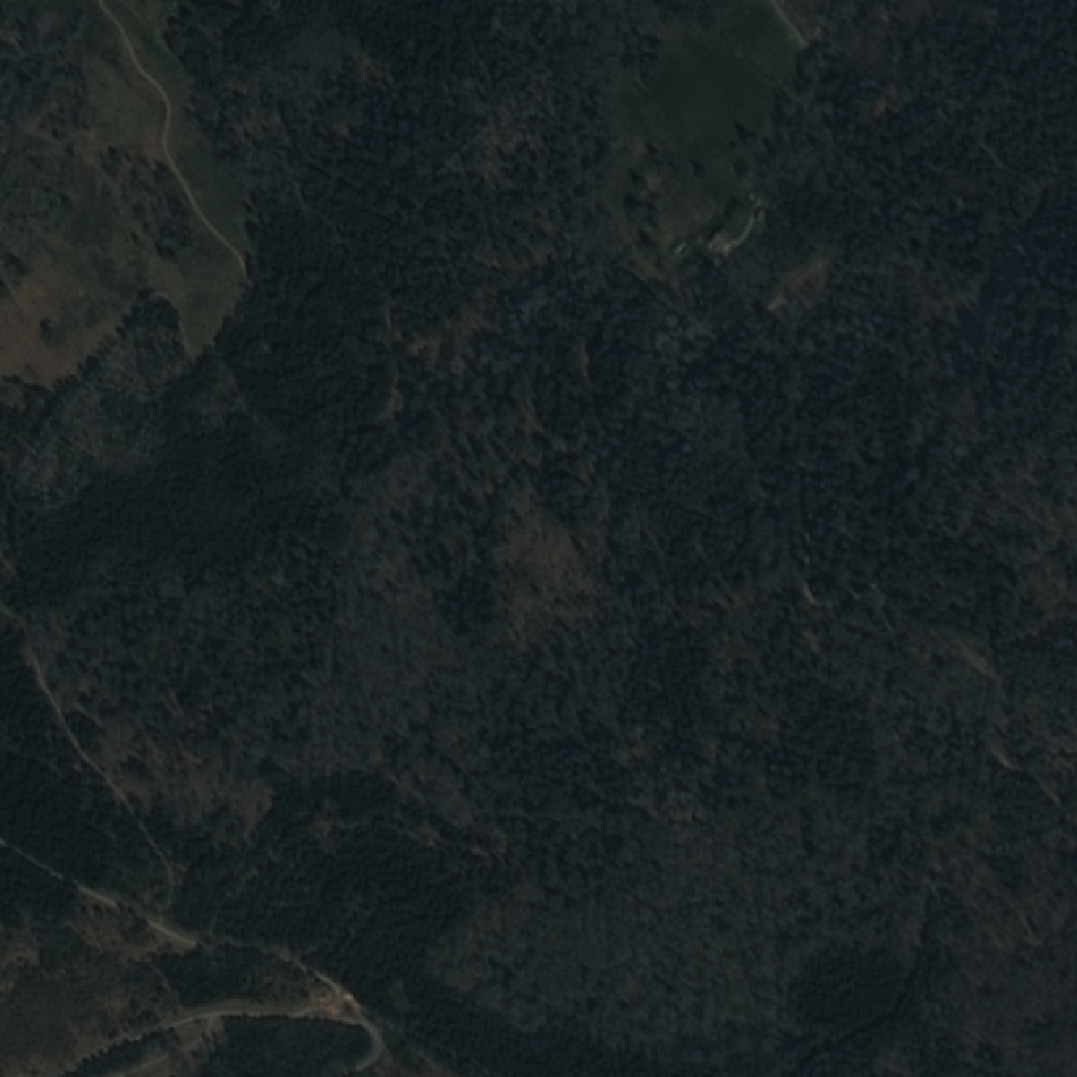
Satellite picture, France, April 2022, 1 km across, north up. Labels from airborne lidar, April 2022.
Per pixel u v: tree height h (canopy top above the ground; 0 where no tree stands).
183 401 20
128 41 0
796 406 28
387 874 14
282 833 10
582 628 11
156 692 16
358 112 30
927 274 12
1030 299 7
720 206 0
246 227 0
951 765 9
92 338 0
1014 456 22
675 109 0
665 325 17
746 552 18
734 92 0
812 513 31
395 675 24
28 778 12
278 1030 13
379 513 27
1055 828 22
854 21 24
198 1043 0
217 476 14
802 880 21
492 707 23
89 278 0
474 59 16
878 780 33
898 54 11
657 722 29
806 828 6
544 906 19
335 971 8
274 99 26
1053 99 20
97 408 28
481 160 31
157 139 0
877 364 22
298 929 10
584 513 24
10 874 14
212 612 20
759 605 9
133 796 7
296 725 24
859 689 19
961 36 12
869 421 28
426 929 16
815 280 0
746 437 28
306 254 17
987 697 25
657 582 7
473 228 25
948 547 11
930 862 14
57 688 7
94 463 21
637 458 21
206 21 17
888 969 18
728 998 9
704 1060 28
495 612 28
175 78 0
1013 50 20
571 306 17
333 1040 15
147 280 0
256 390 15
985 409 11
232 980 7
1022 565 30
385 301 9
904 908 24
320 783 19
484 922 13
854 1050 22
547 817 21
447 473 22
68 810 12
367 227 22
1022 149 18
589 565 32
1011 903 19
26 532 29
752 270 23
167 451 22
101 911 12
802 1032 26
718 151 0
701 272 8
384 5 29
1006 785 26
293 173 24
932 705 27
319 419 24
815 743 15
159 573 15
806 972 20
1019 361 16
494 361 31
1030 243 15
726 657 9
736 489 30
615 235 20
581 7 33
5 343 0
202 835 14
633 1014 24
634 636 25
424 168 18
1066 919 22
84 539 21
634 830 11
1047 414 19
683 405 26
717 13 20
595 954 19
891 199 21
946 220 13
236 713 13
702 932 21
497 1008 25
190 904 9
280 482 17
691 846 22
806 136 25
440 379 22
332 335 13
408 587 21
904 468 11
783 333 30
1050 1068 15
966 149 12
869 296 24
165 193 15
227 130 18
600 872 18
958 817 20
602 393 8
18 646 11
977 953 25
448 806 28
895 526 27
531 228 21
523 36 31
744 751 38
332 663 22
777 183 19
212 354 14
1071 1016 16
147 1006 6
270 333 16
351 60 17
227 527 18
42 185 8
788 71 0
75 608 17
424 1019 16
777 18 0
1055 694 25
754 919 22
